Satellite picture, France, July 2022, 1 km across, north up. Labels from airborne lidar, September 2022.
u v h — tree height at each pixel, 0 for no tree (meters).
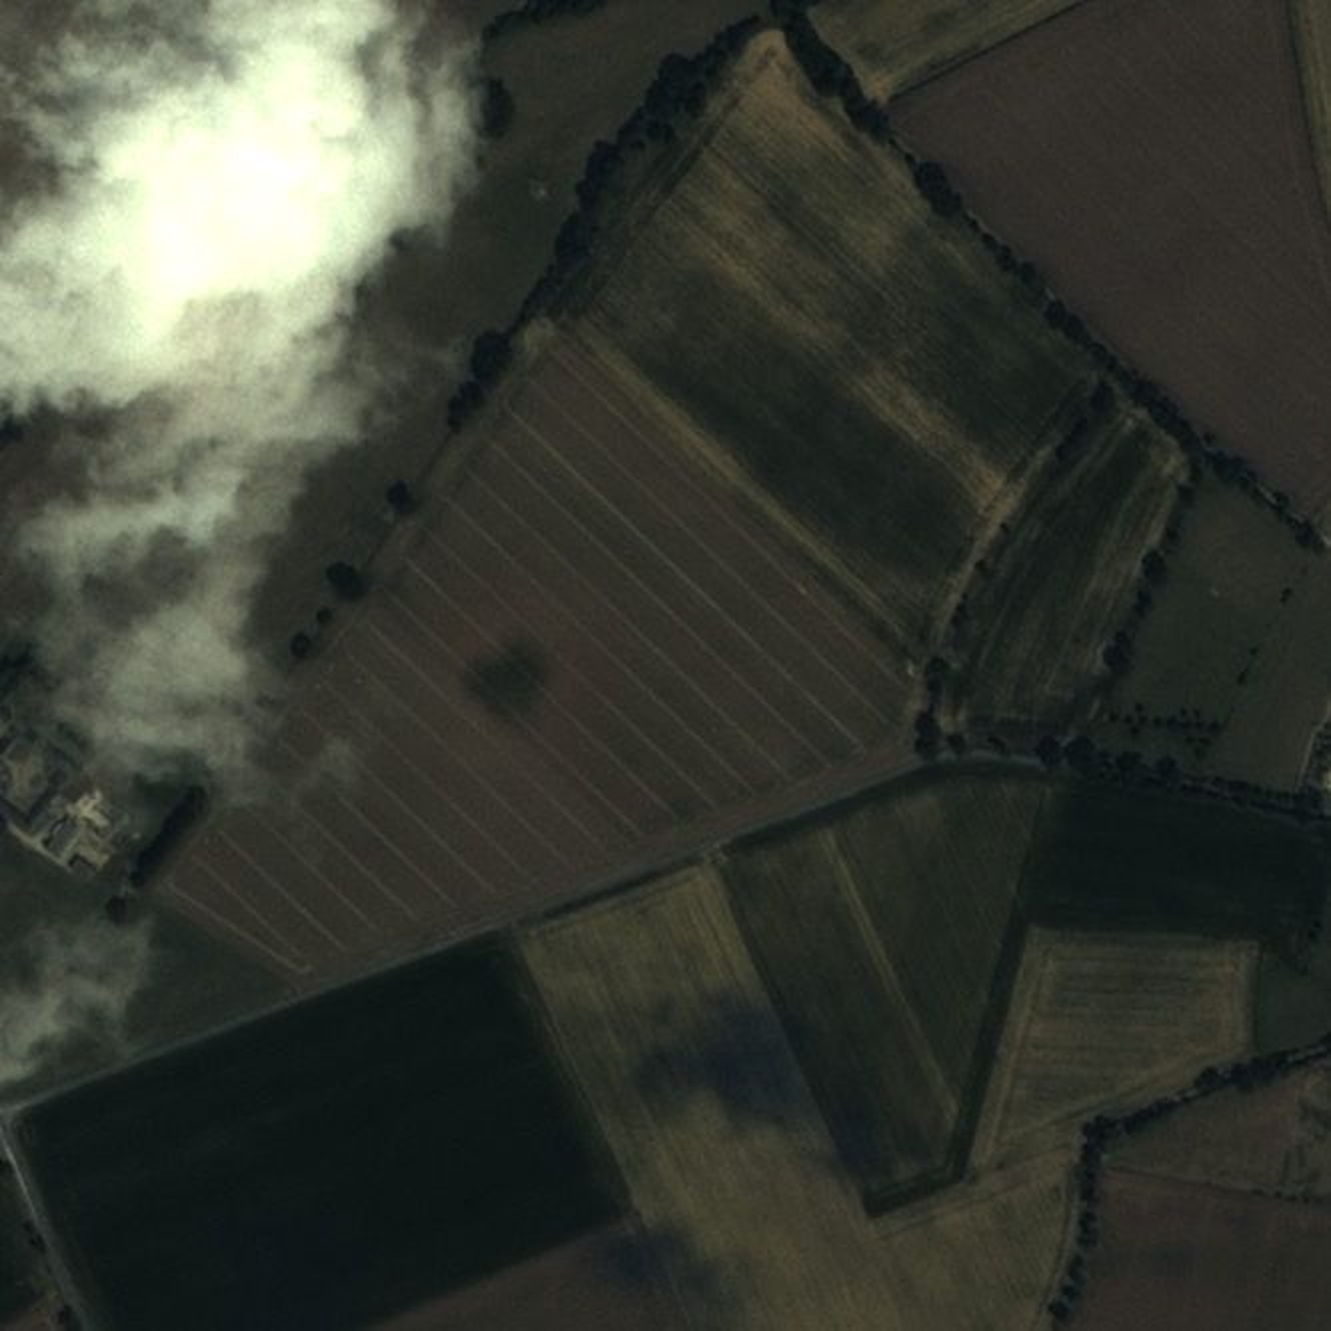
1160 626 0
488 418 0
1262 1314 0
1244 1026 0
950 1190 0
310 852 0
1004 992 0
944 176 23
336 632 0
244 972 0
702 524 0
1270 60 0
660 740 0
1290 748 0
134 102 0
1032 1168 0
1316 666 0
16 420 14
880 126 29
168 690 0
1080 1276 16
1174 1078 0
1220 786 10
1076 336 16
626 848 0
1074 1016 0
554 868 0
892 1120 0
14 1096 0
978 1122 0
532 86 0
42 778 0
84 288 0
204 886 0
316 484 0
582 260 12
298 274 0
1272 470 0
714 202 0
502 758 0
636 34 0
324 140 0
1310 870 0
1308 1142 0
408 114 0
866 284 0
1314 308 0
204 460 10
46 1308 0
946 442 0
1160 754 0
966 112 0
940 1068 0
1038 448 0
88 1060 0
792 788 0
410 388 0
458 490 0
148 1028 0
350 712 0
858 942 0
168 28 0
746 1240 0
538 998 0
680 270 0
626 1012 0
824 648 0
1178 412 7
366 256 0
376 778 0
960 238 0
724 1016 0
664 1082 0
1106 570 0
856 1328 0
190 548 0
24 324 0
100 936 12
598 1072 0
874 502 0
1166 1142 0
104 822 0
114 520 0
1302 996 0
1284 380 0
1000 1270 0
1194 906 0
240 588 0
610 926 0
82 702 7
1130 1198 0
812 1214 0
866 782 0
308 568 0
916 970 0
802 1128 0
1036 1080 0
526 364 0
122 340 0
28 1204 0
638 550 0
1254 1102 0
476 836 0
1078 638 0
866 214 0
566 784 0
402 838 0
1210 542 0
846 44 0
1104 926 0
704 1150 0
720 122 0
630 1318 0
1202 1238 0
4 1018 0
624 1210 0
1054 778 0
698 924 0
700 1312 0
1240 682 6
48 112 0
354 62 0
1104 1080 0
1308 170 0
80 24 0
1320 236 0
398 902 0
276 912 0
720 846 0
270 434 0
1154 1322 0
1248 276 0
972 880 0
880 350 0
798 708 0
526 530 0
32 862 0
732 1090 0
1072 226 0
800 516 0
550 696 0
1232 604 0
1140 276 0
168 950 0
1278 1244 0
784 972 0
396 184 0
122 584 0
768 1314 0
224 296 0
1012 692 0
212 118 0
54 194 0
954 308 0
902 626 0
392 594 0
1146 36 0
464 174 17
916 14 0
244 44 0
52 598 0
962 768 0
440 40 0
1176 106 0
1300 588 0
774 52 0
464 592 0
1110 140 0
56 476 0
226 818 0
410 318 0
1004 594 0
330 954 0
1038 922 0
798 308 0
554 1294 0
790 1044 0
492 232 0
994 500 0
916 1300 0
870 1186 0
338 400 0
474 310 0
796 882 0
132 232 0
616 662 0
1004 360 0
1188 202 0
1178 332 0
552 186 0
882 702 0
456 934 0
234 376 0
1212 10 0
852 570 0
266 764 0
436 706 0
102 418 0
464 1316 0
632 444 0
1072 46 0
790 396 0
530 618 0
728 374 0
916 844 0
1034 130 0
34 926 0
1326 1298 0
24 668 9
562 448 0
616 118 0
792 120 0
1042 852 0
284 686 0
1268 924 0
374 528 0
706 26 0
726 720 0
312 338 16
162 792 0
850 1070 0
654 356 0
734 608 0
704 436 0
